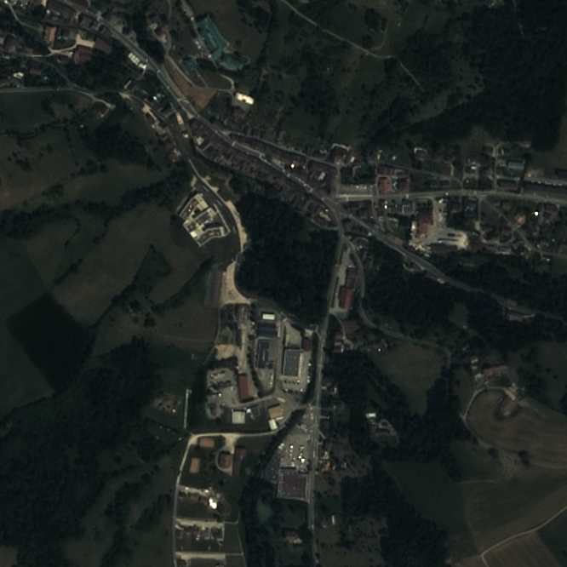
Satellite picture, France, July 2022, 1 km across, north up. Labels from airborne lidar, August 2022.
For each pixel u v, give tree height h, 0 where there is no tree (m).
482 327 10
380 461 12
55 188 9
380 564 0
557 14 17
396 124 12
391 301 21
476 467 0
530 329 14
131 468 8
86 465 23
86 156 0
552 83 28
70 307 0
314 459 0
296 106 7
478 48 8
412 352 0
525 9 18
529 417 0
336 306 0
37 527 27
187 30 0
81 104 0
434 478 0
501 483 0
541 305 14
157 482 0
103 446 11
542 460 0
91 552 0
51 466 28
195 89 0
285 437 7
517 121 24
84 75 16
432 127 21
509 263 7
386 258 6
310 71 7
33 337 0
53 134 0
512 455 0
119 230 0
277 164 0
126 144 14
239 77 7
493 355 0
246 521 15
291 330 0
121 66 9
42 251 0
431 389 0
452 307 11
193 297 0
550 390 0
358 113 0
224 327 0
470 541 0
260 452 0
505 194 0
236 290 0
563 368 0
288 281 18
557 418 0
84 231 0
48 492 21
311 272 24
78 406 6
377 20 13
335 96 6
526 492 0
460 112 22
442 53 11
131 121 0
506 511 0
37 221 0
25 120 0
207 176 0
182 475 0
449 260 16
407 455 23
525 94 17
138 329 0
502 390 0
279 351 0
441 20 0
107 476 12
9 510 28
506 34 20
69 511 24
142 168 0
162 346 0
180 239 0
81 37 0
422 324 20
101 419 23
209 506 0
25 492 23
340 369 18
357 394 20
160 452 16
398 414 25
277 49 0
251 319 8
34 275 0
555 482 0
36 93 0
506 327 19
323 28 6
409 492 0
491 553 0
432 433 31
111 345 0
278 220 27
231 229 0
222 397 0
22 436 14
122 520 8
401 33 0
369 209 0
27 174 0
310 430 0
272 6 14
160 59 16
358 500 14
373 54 0
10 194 0
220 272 0
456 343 9
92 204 14
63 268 0
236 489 0
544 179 0
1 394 0
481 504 0
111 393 17
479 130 0
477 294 6
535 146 14
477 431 0
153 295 0
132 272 0
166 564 0
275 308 0
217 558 0
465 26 7
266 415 0
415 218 8
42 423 8
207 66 12
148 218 0
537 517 0
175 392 0
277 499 8
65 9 0
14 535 18
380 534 8
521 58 24
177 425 0
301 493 0
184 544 0
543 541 0
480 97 14
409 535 19
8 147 0
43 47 17
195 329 0
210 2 0
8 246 0
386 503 29
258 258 29
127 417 15
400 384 0
